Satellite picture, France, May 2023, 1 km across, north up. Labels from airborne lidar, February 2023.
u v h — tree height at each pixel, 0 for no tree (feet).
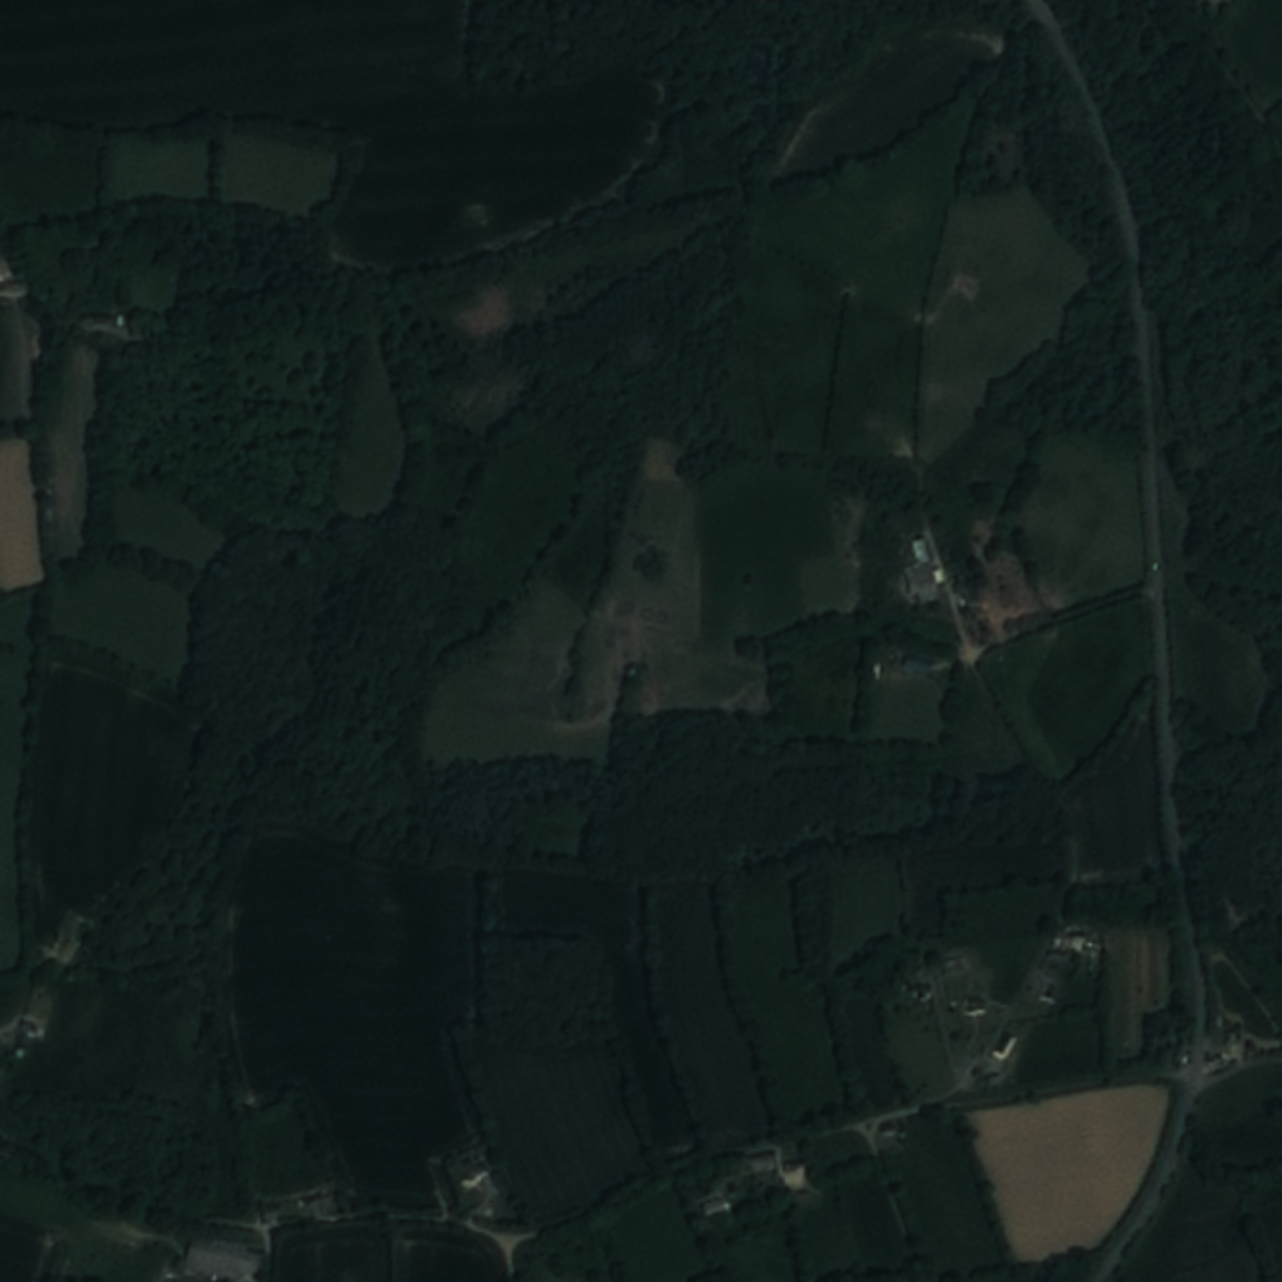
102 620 0
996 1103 0
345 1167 0
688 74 61
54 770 0
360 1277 0
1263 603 49
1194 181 65
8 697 0
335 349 43
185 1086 0
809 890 53
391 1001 0
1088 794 0
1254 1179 42
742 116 27
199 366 54
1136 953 0
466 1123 0
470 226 0
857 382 0
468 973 0
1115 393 26
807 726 0
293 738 108
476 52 52
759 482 0
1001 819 82
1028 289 0
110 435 42
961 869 0
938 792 45
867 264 0
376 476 0
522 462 0
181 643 0
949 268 0
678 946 0
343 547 84
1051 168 52
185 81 0
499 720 0
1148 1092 0
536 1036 65
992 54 0
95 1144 43
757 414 0
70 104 0
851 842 47
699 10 72
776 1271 0
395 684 75
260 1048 0
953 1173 0
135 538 0
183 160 0
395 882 0
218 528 32
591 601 24
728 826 73
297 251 105
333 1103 0
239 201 0
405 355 58
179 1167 46
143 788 0
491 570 0
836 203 0
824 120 0
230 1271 0
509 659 0
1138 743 0
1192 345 50
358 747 56
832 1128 65
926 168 0
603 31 58
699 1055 0
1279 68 0
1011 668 0
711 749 77
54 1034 0
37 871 0
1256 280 44
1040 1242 0
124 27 0
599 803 66
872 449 0
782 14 53
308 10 0
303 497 50
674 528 0
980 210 0
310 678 106
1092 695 0
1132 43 32
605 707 0
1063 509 0
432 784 37
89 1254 0
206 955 37
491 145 0
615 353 39
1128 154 54
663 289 42
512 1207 27
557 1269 29
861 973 57
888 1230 0
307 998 0
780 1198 55
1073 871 0
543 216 0
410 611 69
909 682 0
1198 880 46
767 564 0
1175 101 48
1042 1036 0
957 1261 0
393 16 0
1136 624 0
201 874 30
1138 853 0
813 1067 0
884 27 28
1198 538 64
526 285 0
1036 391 37
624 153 0
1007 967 0
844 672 0
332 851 0
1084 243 34
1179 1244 0
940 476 0
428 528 68
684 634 0
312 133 52
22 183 0
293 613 74
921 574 0
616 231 63
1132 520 0
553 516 0
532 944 56
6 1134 0
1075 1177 0
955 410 0
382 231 0
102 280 21
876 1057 0
